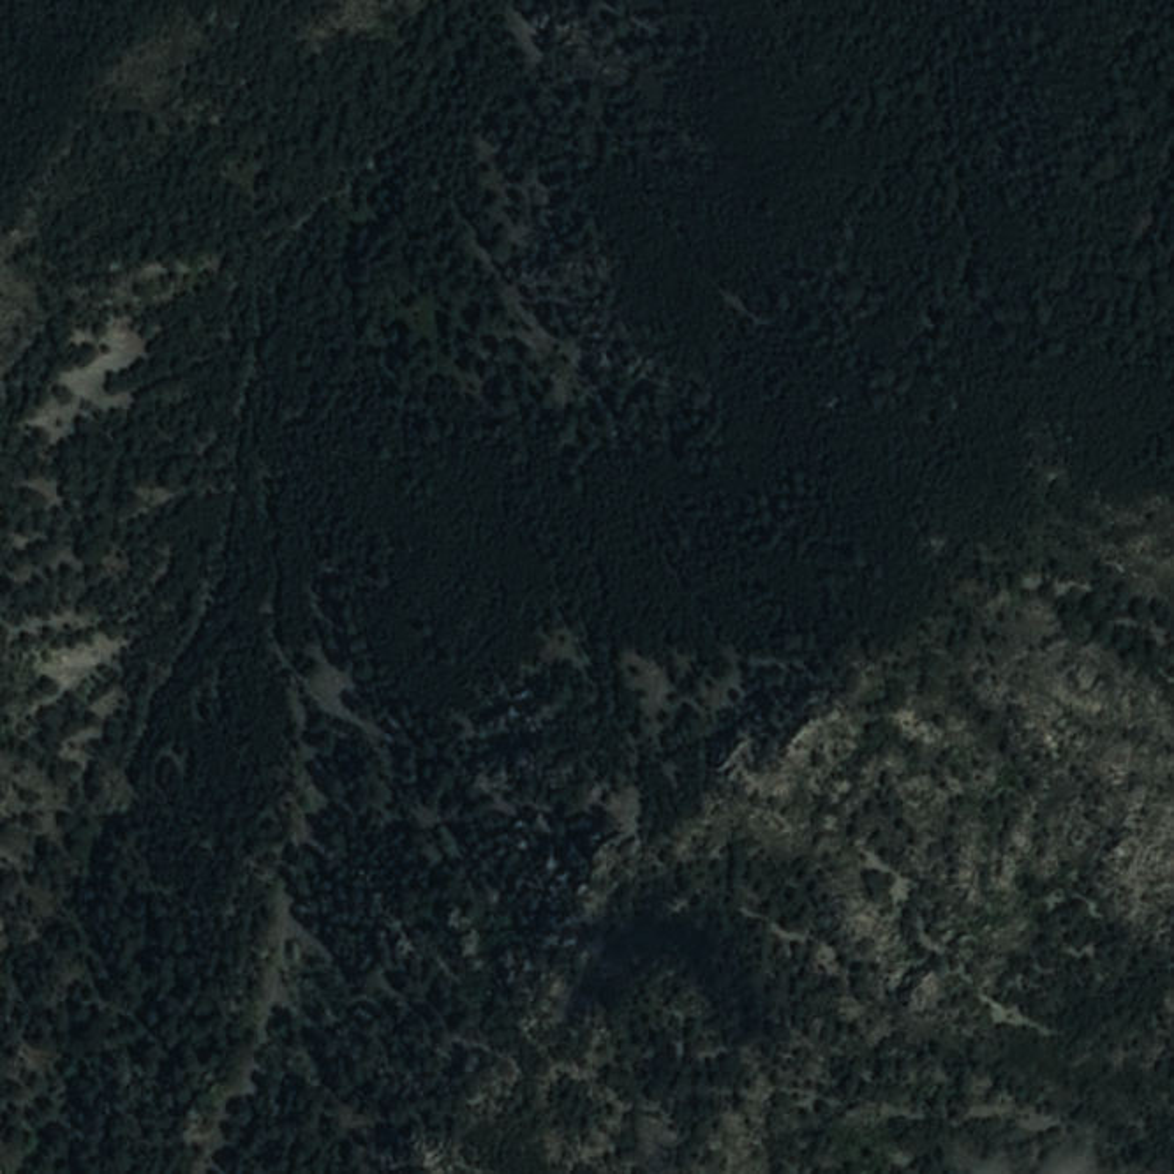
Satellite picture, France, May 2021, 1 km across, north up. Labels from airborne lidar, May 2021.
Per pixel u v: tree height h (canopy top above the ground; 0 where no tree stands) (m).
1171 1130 16
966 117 21
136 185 19
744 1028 11
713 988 24
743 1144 0
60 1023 34
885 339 12
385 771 7
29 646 22
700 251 15
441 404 20
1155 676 11
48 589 25
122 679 12
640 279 13
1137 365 13
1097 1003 17
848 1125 6
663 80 9
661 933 12
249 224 20
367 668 28
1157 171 21
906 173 18
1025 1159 18
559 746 14
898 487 11
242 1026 18
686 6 13
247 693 14
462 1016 17
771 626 13
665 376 16
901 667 14
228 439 19
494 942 14
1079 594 12
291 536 19
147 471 30
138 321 16
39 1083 33
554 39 25
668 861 23
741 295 15
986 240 19
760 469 11
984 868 8
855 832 26
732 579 20
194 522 20
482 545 14
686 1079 30
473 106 15
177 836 18
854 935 8
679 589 20
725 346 12
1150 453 25
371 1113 28
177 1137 21
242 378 27
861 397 10
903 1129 21
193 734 18
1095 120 24
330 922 17
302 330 19
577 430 27
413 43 20
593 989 20
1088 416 18
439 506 14
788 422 21
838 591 17
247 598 16
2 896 24
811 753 6
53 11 14
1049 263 12
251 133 26
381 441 24
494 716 10
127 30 12
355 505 15
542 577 20
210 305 20
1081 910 35
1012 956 8
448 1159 10
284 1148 16
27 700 7
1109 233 20
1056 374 16
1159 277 28
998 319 29
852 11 18
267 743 17
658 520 19
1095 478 14
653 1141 0
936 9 21
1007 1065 11
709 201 12
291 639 21
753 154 12
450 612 11
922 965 7
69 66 18
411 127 21
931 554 17
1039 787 20
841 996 7
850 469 21
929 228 24
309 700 9
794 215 10
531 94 9
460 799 8
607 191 16
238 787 15
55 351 15
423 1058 19
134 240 31
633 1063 6
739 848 27
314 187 13
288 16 14
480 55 23
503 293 15
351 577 14
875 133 20
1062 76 9
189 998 37
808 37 19
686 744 8
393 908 15
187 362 18
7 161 16
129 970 41
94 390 0
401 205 25
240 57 22
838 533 17
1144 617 31
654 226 16
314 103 17
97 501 35
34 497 30
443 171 25
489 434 21
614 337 19
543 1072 12
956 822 18
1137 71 19
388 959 19
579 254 26
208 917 8
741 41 12
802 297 10
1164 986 16
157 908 41
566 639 8
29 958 22
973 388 22
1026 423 15
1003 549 12
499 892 32
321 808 0
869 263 15
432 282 27
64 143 16
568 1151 10
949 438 14
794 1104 22
